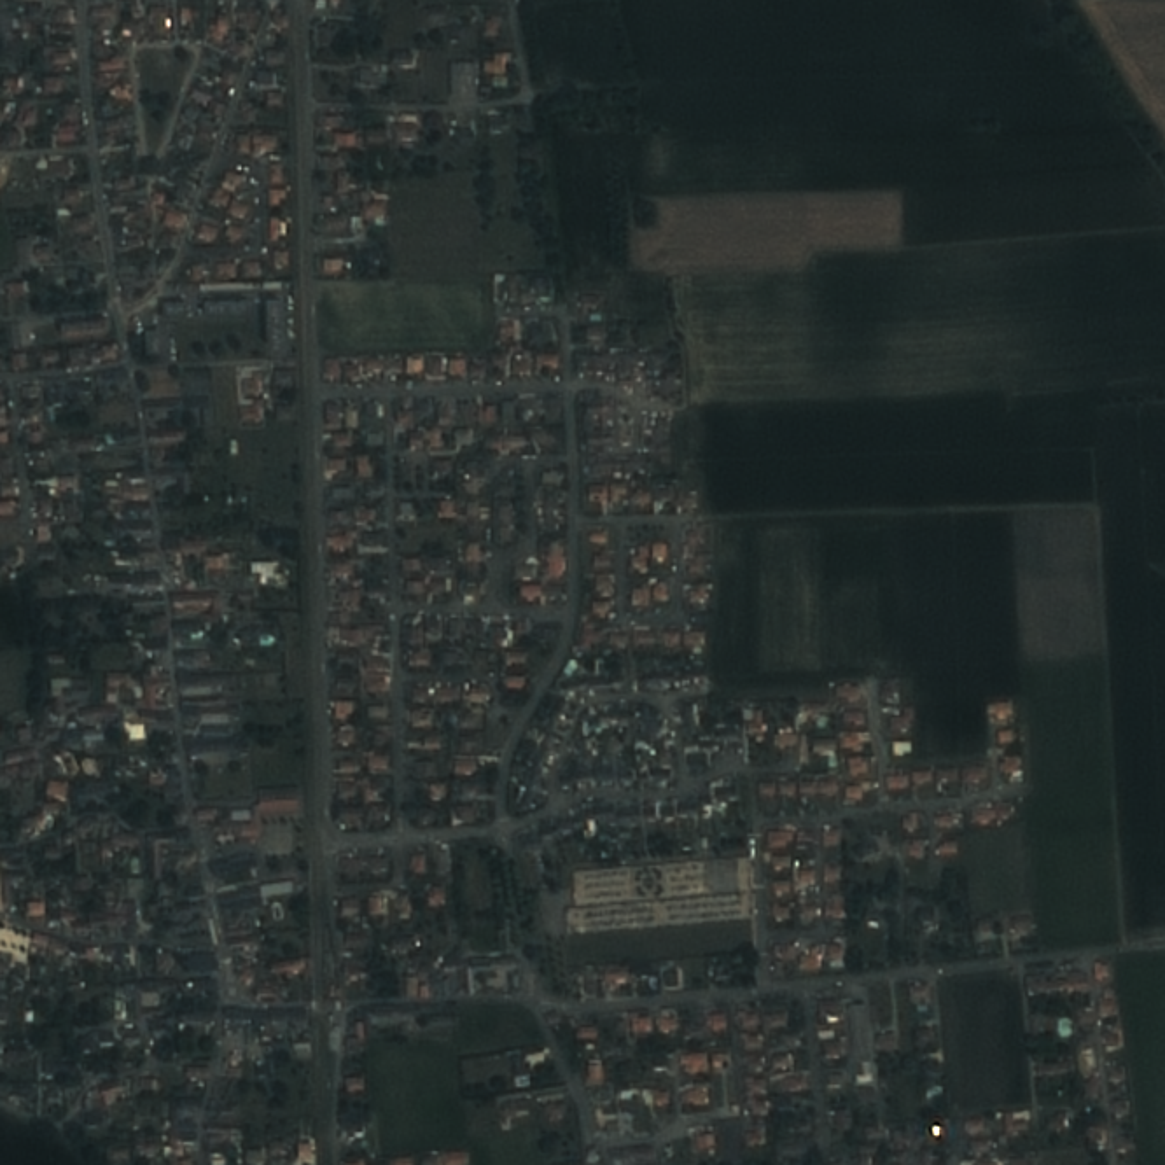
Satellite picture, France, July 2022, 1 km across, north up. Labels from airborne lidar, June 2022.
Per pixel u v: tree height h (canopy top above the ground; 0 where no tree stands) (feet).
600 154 0
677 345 28
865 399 0
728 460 0
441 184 0
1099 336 0
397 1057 0
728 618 0
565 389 0
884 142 0
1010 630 0
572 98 67
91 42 0
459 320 0
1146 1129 0
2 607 0
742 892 0
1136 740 0
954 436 0
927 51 0
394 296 0
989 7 0
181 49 34
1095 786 0
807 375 0
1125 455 0
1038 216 0
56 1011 26
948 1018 0
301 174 0
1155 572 0
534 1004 0
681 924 0
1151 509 0
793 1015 19
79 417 35
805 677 0
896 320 0
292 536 52
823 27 0
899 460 0
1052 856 0
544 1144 31
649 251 0
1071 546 0
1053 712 0
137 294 22
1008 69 0
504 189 0
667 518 0
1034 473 0
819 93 0
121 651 0
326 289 0
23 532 0
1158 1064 0
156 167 27
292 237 0
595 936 0
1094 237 0
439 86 0
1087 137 0
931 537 0
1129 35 0
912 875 0
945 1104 39
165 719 0
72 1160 0
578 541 0
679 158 0
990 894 0
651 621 0
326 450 19
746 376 0
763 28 0
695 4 0
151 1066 0
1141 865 0
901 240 0
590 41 0
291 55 0
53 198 0
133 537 26
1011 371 0
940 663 0
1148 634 0
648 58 0
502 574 0
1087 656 0
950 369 0
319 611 0
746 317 0
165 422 25
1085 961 0
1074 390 0
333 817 17
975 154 0
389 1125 0
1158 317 0
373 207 0
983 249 0
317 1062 0
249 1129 23
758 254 0
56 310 38
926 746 0
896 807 0
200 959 0
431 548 25
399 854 0
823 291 0
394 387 0
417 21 0
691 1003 0
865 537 0
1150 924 0
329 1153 0
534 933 33
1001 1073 0
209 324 0
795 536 0
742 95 0
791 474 0
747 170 0
